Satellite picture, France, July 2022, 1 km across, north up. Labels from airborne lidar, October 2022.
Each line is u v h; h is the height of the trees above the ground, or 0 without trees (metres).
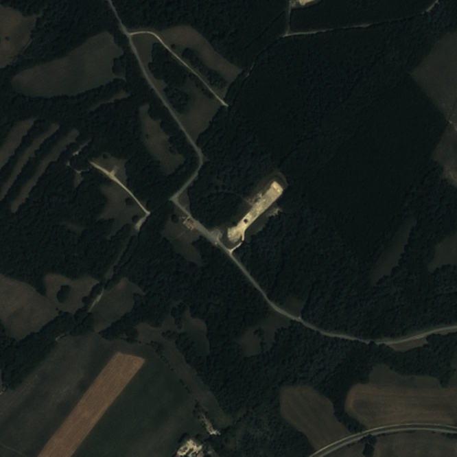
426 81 0
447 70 0
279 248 22
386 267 0
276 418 10
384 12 12
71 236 20
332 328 19
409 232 0
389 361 10
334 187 13
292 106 10
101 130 23
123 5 19
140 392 0
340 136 20
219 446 13
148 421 0
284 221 22
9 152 0
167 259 27
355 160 10
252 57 9
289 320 0
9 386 6
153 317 19
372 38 13
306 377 9
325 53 12
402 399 0
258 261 20
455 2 19
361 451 0
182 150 18
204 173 17
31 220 17
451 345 14
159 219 18
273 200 0
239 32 14
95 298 14
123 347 0
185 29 0
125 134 18
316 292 18
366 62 13
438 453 0
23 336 0
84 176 16
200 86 11
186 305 9
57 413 0
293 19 10
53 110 22
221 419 0
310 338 17
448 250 0
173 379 0
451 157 0
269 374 18
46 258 17
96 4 14
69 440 0
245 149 21
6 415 0
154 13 10
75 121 14
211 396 0
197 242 12
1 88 19
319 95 20
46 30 9
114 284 9
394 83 22
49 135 0
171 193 14
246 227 0
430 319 8
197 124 0
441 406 0
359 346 18
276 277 7
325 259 23
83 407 0
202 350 0
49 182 14
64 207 19
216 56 0
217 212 21
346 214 10
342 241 25
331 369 21
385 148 12
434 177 19
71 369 0
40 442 0
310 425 0
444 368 14
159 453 0
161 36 0
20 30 0
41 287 16
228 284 26
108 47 0
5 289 0
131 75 13
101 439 0
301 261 18
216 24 22
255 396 9
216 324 22
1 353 20
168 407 0
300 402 0
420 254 16
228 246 0
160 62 12
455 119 0
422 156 15
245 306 15
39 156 15
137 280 11
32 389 0
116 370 0
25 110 21
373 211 13
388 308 17
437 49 0
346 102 21
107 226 22
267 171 26
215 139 16
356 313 19
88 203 18
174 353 0
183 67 6
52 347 9
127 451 0
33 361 11
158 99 13
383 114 10
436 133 11
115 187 0
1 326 16
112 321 0
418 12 11
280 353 18
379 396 0
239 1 19
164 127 15
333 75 18
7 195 6
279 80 14
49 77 0
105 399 0
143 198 17
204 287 25
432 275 13
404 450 0
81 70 0
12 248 16
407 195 22
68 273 20
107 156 7
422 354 13
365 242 13
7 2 20
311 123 13
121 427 0
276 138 12
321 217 24
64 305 0
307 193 12
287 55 18
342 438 0
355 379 14
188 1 18
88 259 16
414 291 18
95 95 12
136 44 0
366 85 21
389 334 13
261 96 12
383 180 12
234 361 19
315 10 12
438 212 19
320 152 22
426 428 0
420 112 11
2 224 22
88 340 0
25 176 19
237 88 13
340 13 12
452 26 20
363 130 11
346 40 12
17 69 12
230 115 18
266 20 12
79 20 13
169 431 0
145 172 21
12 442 0
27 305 0
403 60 21
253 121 11
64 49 15
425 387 0
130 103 21
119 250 15
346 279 18
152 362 0
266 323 0
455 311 12
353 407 0
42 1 11
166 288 17
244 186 16
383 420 0
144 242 14
